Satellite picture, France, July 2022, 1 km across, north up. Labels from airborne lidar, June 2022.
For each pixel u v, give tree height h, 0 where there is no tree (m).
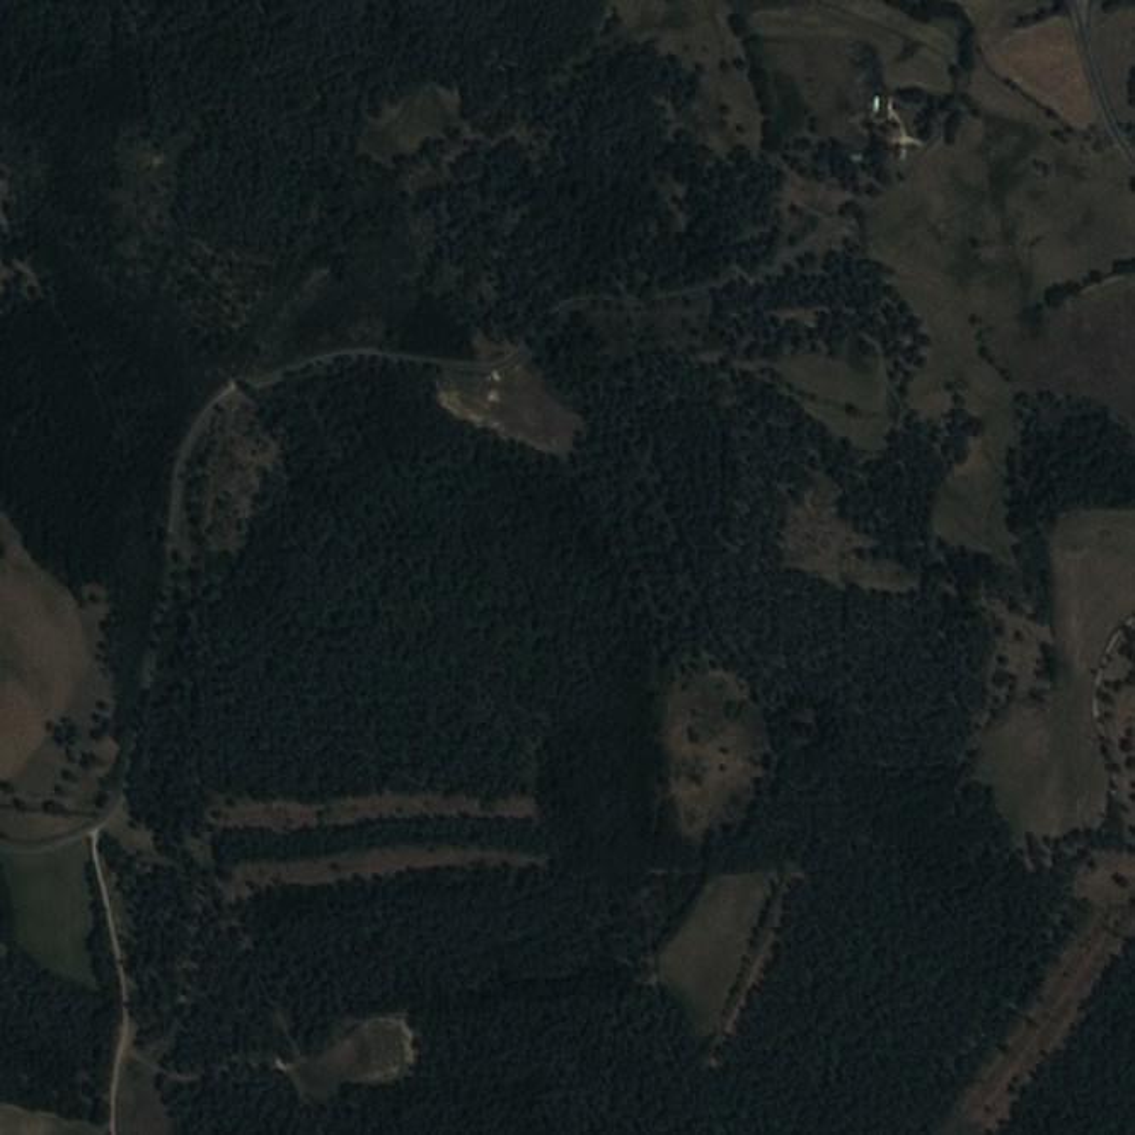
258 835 18
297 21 21
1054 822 0
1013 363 0
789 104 0
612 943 20
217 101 20
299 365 0
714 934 0
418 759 15
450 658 13
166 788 17
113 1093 0
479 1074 12
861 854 16
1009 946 17
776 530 17
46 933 0
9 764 0
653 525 15
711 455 19
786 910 10
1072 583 0
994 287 0
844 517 16
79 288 7
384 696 20
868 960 8
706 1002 0
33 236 8
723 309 23
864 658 18
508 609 6
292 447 11
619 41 6
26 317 11
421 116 0
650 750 13
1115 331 0
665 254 13
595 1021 15
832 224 0
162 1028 8
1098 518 0
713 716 0
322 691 19
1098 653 0
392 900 13
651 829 13
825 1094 13
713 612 17
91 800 0
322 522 16
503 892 18
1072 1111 9
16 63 16
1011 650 0
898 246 0
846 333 14
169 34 17
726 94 0
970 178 0
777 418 18
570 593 10
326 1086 0
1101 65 0
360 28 16
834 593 16
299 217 17
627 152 20
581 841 12
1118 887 17
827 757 18
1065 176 0
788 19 0
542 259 11
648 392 12
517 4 18
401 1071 0
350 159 16
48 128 7
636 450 15
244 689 18
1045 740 0
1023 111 0
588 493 18
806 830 22
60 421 11
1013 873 14
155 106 16
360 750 16
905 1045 18
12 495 10
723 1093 17
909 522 21
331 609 16
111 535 10
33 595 0
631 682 12
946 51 0
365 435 13
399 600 12
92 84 9
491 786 20
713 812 0
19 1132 0
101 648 11
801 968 16
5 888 12
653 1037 17
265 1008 16
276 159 11
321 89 20
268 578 18
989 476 0
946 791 18
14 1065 14
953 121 11
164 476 6
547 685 11
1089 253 0
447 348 7
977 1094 0
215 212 19
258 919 13
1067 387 0
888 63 0
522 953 22
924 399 0
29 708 0
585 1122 17
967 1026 16
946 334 0
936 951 20
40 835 0
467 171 17
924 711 14
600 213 20
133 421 7
